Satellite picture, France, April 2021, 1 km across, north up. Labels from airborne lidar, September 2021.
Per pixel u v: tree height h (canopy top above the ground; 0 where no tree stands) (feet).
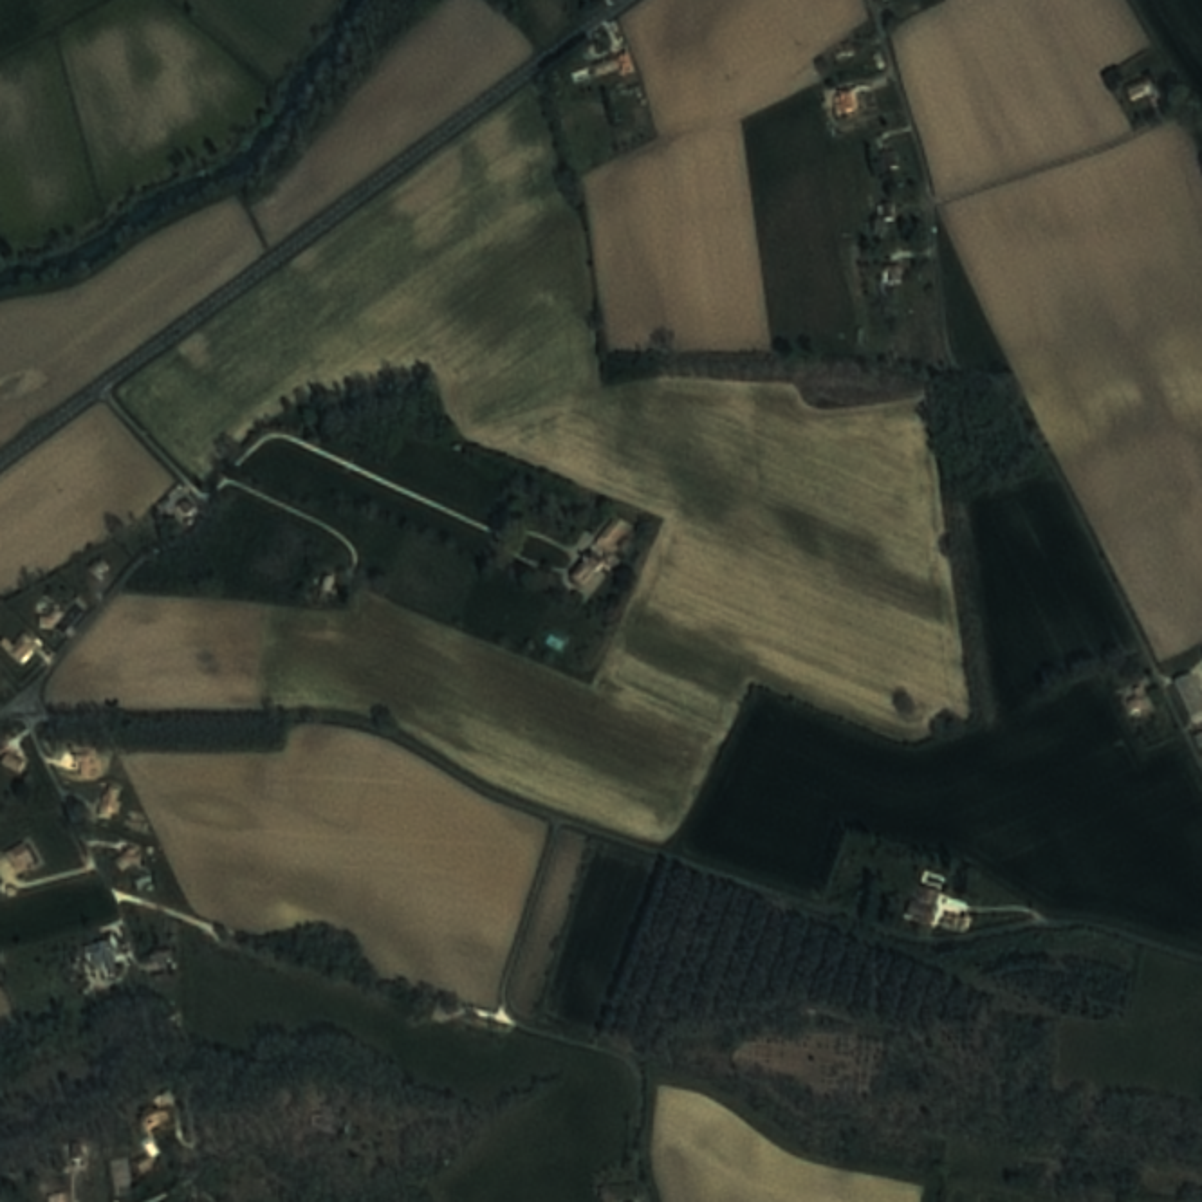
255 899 0
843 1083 23
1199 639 0
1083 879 0
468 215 0
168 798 0
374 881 0
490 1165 0
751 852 0
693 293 0
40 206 0
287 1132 45
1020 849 0
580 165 0
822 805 0
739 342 0
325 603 21
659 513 0
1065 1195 69
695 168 0
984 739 0
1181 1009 0
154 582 31
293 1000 0
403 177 0
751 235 0
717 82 0
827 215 0
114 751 52
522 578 48
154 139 0
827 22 0
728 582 0
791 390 0
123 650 0
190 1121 55
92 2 0
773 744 0
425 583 0
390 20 78
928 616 0
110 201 0
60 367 0
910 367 30
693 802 0
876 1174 0
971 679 24
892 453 0
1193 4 0
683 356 71
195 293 0
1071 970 26
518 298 0
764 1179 0
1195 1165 77
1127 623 0
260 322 0
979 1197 0
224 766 0
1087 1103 50
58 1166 39
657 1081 0
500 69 0
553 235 0
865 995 48
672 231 0
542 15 0
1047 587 0
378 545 0
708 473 0
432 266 0
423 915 0
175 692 0
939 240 0
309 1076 61
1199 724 0
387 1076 62
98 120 0
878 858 27
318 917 0
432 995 42
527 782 0
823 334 0
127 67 0
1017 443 36
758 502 0
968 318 0
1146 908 0
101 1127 59
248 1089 64
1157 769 0
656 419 0
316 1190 67
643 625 0
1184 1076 0
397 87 0
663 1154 0
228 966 0
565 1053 0
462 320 0
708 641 0
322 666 0
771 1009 41
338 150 0
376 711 0
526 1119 0
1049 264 0
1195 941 0
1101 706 0
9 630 0
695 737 0
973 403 42
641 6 0
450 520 0
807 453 0
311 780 0
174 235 0
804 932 51
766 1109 52
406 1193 65
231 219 0
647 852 0
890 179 31
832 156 0
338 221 0
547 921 0
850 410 0
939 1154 24
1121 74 24
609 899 0
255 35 0
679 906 49
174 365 0
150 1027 64
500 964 0
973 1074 36
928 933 61
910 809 0
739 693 0
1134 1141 64
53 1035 41
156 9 0
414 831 0
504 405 0
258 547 27
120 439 0
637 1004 39
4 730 18
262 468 0
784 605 0
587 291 0
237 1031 0
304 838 0
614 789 0
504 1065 0
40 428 0
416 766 0
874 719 0
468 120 0
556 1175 0
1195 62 0
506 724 0
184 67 0
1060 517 0
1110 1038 0
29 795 31
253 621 0
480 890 0
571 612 49
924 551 0
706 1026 57
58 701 0
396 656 0
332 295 0
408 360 0
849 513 0
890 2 0
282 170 41
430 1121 34
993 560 0
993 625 0
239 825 0
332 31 24
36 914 0
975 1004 39
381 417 73
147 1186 31
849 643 0
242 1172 40
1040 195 0
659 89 0
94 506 0
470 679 0
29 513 0
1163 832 0
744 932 46
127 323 0
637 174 0
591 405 0
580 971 0
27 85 0
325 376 0
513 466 36
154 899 0
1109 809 0
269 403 0
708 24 0
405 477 0
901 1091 41
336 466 0
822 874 0
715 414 0
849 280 0
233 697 0
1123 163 0
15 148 0
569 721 0
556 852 0
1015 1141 42
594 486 0
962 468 52
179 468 0
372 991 53
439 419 44
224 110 0
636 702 0
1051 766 0
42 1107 31
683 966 48
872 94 0
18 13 0
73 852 0
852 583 0
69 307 0
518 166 0
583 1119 0
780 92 0
